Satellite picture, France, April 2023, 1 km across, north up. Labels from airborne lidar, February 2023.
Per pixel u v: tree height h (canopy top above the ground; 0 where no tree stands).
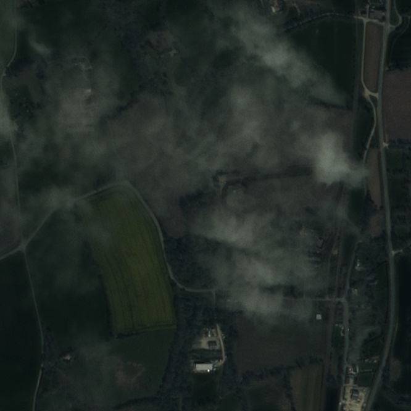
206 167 19
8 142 0
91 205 0
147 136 0
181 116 18
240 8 0
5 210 0
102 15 0
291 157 0
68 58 17
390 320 0
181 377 11
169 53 0
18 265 0
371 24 0
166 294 0
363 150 6
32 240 0
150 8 0
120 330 0
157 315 0
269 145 0
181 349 10
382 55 0
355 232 0
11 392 0
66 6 0
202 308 10
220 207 22
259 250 0
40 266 0
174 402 7
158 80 14
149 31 16
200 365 0
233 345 14
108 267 0
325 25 0
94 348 11
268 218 21
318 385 0
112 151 0
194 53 0
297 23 11
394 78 0
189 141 0
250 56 14
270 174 0
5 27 0
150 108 0
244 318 0
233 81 0
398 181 0
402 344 0
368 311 0
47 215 0
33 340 0
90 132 0
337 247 0
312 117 0
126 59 0
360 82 0
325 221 19
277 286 0
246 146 0
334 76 0
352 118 0
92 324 0
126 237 0
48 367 13
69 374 0
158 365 0
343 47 0
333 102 0
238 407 0
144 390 0
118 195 0
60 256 0
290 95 13
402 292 0
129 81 0
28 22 0
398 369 0
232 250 0
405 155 14
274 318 0
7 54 0
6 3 0
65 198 0
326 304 0
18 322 0
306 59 0
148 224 0
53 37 0
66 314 0
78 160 0
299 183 0
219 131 21
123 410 11
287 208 0
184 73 0
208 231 24
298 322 0
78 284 0
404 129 0
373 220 0
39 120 0
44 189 0
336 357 0
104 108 13
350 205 0
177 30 0
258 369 0
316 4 0
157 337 0
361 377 0
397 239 24
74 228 0
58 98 0
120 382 0
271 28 7
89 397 0
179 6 0
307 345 0
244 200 0
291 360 0
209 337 0
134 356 0
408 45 0
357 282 6
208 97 0
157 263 0
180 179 0
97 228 0
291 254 0
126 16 23
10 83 0
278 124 0
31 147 22
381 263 6
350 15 13
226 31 0
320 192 0
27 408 0
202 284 8
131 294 0
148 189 0
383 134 0
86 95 0
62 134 0
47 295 0
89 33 0
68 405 0
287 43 0
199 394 0
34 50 0
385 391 17
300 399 0
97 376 0
